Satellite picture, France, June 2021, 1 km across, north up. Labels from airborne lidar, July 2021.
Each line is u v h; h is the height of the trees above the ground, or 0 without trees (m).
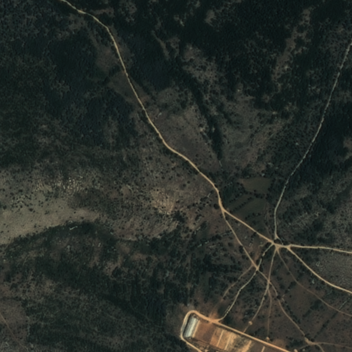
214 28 6
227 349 0
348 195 0
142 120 8
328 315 0
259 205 0
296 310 0
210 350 0
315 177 7
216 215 0
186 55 0
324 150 9
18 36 12
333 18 11
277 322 0
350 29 11
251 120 0
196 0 9
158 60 12
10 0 11
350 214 0
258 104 8
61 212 0
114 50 6
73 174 0
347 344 0
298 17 7
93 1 8
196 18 9
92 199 0
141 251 5
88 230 8
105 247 10
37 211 0
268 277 0
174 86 8
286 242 7
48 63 7
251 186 0
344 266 0
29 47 12
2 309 0
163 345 9
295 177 9
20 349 0
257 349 0
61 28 8
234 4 7
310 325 0
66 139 6
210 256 7
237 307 0
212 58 9
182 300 11
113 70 9
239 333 0
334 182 6
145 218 8
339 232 0
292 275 0
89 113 10
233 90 10
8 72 9
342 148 8
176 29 9
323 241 8
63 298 0
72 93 11
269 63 9
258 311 0
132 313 8
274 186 7
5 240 0
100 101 15
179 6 8
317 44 9
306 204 9
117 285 5
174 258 7
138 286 6
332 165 9
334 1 12
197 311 0
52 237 8
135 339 0
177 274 6
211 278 10
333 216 0
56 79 10
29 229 0
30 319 0
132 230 0
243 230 0
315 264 0
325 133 9
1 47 10
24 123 6
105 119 8
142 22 11
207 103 10
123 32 13
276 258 6
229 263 0
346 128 9
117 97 10
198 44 7
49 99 10
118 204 6
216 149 11
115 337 0
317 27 9
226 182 8
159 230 0
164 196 0
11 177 0
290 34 7
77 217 0
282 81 6
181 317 0
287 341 0
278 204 0
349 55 6
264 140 0
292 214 6
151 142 6
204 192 0
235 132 0
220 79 9
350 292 0
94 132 11
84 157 0
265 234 0
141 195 6
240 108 0
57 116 8
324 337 0
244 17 11
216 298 0
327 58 7
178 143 0
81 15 7
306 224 7
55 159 0
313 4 6
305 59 10
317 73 9
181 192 0
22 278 5
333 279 0
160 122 0
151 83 6
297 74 11
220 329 0
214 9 7
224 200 7
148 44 11
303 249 8
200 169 7
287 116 9
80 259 6
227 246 0
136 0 9
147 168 0
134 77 8
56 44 8
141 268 7
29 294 0
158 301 14
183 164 8
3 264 0
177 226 6
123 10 8
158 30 8
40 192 0
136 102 0
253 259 0
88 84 12
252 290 7
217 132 12
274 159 6
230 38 8
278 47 6
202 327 0
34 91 7
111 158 7
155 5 8
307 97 6
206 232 0
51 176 0
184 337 0
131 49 7
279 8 13
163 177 6
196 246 10
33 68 7
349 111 11
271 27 13
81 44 10
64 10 11
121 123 9
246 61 6
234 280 9
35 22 7
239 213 0
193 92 6
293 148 10
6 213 0
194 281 9
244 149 0
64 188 0
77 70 10
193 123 0
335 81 10
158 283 7
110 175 0
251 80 8
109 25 8
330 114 7
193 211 0
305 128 8
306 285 0
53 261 6
